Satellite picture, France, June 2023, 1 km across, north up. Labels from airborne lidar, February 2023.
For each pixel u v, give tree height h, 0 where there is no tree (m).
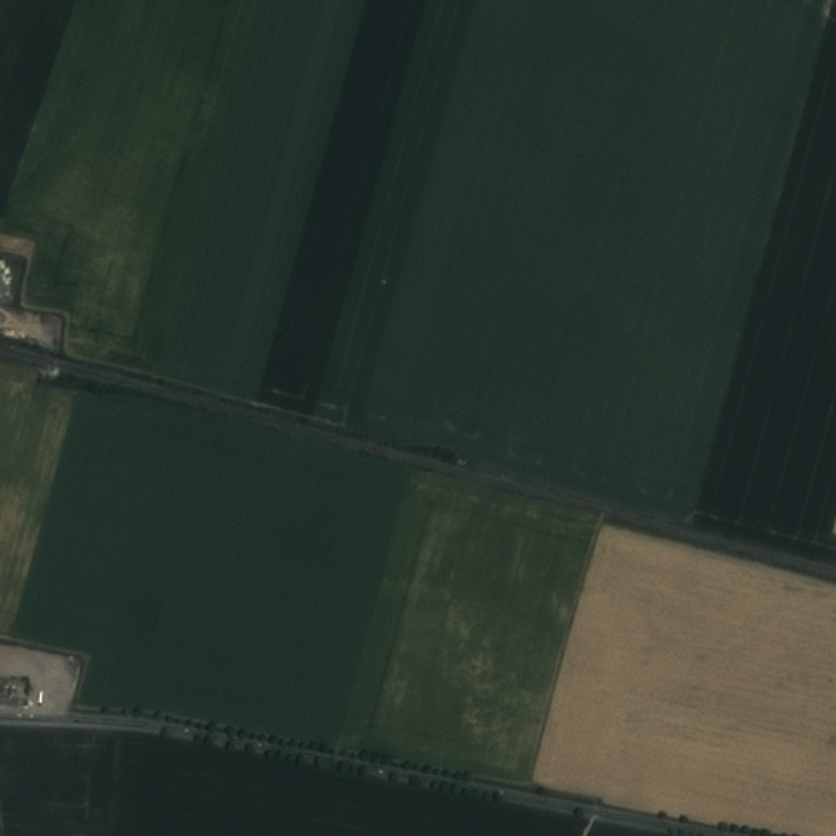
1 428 0
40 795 0
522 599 0
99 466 0
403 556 0
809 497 0
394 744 0
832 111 0
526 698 0
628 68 0
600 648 0
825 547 0
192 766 0
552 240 0
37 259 0
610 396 0
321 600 0
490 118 0
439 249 0
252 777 0
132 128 0
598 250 0
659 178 0
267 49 0
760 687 0
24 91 0
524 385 0
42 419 0
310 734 0
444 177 0
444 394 0
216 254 0
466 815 0
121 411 0
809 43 0
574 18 0
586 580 0
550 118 0
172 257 0
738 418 0
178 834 0
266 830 0
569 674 0
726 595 0
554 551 0
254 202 0
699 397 0
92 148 0
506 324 0
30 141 0
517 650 0
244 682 0
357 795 0
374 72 0
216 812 0
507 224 0
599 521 0
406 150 0
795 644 0
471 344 0
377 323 0
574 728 0
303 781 0
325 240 0
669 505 0
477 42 0
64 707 0
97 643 0
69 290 0
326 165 0
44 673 0
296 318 0
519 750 0
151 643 0
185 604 0
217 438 0
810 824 0
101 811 0
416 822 0
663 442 0
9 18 0
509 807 0
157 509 0
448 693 0
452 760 0
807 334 0
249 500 0
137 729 0
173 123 0
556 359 0
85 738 0
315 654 0
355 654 0
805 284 0
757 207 0
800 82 0
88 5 0
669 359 0
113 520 0
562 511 0
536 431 0
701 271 0
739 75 0
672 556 0
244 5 0
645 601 0
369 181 0
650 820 0
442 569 0
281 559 0
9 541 0
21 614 0
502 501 0
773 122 0
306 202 0
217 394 0
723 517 0
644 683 0
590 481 0
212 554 0
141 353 0
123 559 0
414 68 0
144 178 0
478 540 0
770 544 0
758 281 0
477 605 0
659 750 0
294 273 0
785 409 0
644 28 0
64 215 0
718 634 0
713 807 0
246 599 0
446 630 0
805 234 0
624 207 0
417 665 0
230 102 0
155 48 0
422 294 0
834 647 0
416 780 12
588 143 0
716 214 0
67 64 0
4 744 0
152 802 0
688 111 0
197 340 0
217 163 0
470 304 0
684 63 0
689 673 0
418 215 0
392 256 0
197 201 0
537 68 0
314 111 0
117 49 0
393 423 0
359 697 0
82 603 0
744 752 0
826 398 0
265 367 0
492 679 0
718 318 0
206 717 0
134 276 0
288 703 0
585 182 0
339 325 0
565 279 0
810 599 0
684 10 0
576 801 0
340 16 0
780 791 0
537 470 0
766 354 0
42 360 0
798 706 0
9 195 0
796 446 0
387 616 0
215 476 0
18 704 0
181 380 0
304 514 0
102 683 0
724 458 0
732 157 0
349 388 0
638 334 0
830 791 0
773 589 0
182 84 0
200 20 0
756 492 0
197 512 0
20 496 0
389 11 0
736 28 0
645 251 0
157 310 0
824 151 0
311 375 0
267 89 0
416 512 0
